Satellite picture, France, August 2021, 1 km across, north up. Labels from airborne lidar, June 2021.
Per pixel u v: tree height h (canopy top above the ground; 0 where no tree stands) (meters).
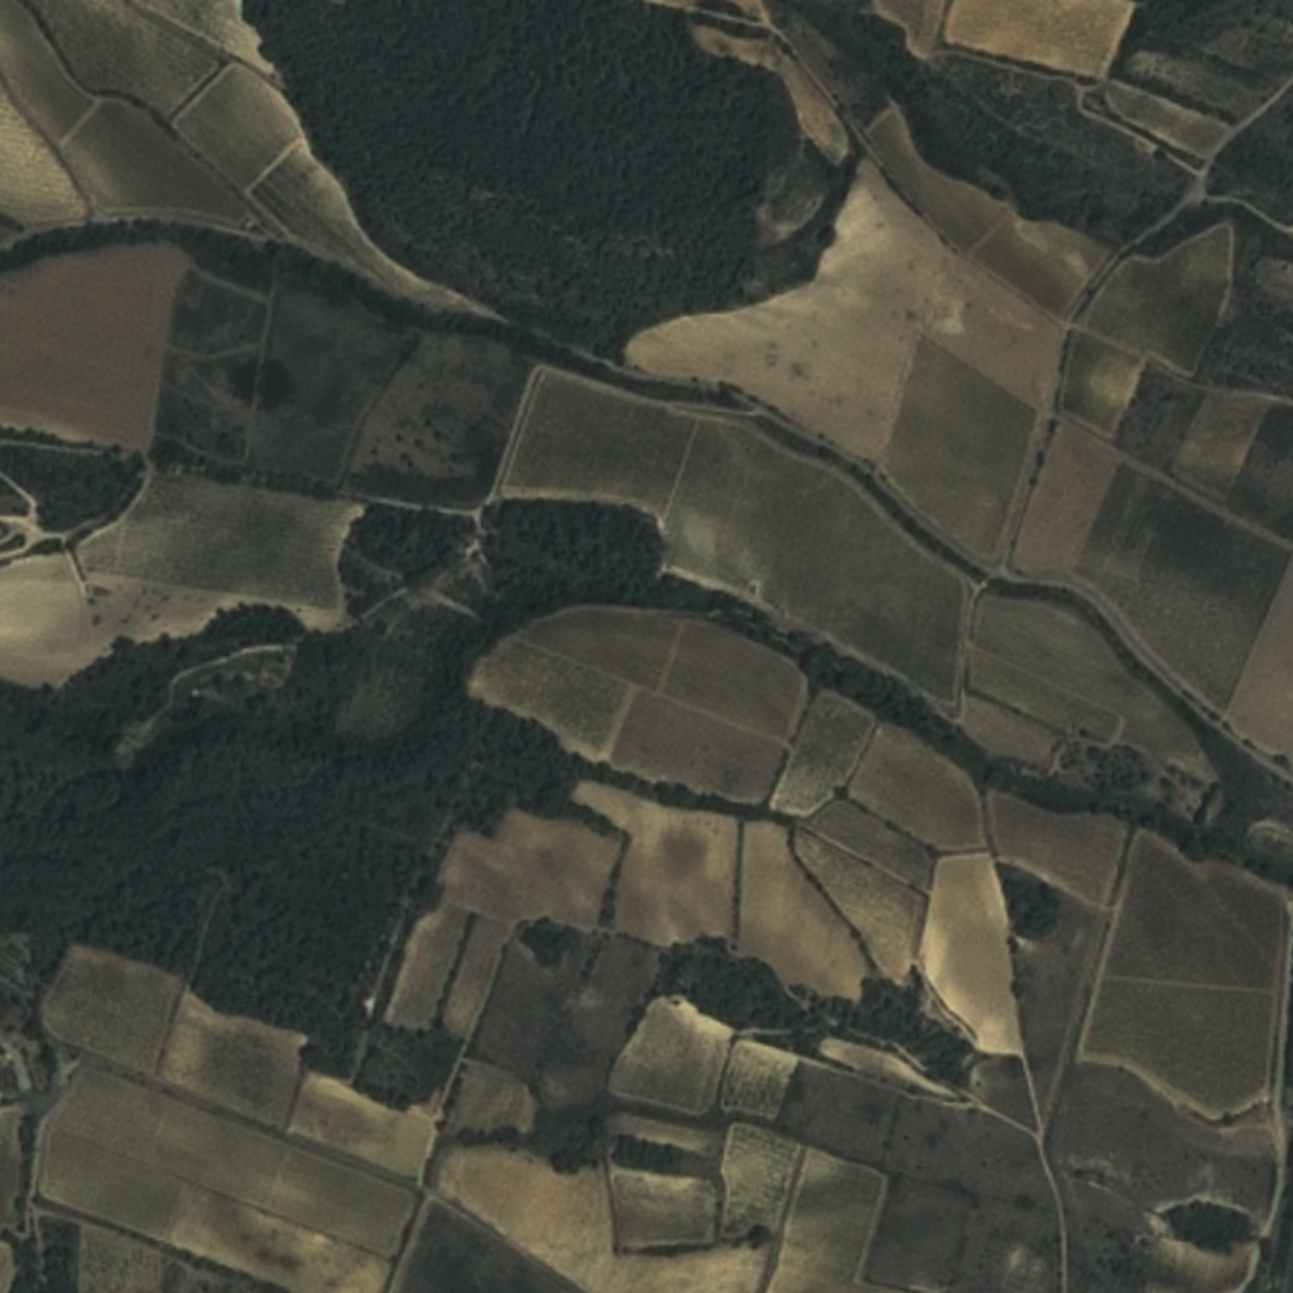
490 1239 0
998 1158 0
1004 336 0
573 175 9
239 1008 13
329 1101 0
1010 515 0
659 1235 0
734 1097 0
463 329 9
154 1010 0
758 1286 0
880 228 0
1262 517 0
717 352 0
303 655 6
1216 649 0
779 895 0
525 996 0
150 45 0
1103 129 0
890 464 0
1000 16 0
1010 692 0
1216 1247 13
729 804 7
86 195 0
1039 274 0
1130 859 0
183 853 12
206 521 0
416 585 13
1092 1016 0
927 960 0
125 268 0
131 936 16
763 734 0
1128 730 0
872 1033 8
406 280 0
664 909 0
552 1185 0
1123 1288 0
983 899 0
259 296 0
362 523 8
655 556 15
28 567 0
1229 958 0
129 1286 0
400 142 9
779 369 0
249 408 0
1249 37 0
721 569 0
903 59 9
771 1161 0
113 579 0
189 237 7
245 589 0
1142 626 0
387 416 0
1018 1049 0
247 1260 0
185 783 13
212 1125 0
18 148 0
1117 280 0
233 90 0
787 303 0
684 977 11
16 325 0
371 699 0
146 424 0
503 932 0
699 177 6
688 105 11
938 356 0
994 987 0
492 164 7
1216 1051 0
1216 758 6
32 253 8
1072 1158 0
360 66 9
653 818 0
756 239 7
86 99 0
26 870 13
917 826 0
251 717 7
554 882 0
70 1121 0
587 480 0
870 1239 0
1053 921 11
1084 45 0
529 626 15
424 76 11
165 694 12
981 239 0
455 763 13
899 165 0
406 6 9
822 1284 0
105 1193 0
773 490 0
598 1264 0
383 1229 0
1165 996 0
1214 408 0
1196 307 0
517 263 8
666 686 0
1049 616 0
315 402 0
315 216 0
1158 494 0
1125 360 0
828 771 0
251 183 0
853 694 11
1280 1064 0
